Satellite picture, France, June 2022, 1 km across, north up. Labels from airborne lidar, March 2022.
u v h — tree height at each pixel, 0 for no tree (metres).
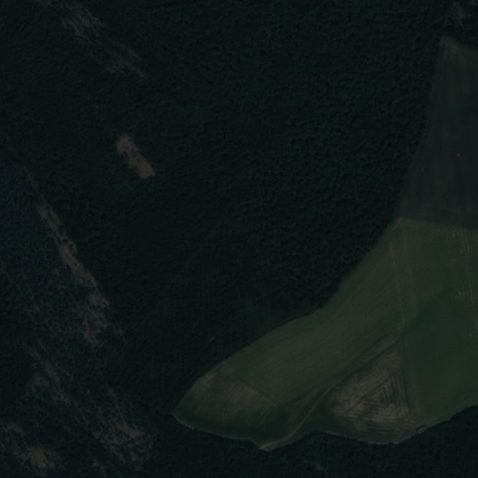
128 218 0
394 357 0
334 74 18
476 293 0
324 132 18
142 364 0
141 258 0
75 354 0
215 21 17
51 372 0
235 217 21
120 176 0
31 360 20
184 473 19
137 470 0
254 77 19
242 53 20
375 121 22
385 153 20
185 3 20
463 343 0
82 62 0
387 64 20
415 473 14
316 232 22
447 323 0
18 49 0
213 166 24
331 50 19
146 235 0
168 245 12
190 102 20
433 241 0
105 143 0
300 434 0
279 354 0
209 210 12
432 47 19
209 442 25
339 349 0
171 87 23
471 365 0
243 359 0
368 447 17
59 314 31
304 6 22
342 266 18
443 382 0
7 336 25
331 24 20
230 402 0
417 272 0
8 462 22
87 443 22
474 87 0
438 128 0
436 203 0
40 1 0
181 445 18
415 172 0
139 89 0
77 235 0
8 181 26
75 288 28
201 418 0
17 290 32
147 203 0
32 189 0
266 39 16
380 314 0
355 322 0
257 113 19
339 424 0
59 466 0
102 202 0
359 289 0
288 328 0
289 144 18
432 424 0
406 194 0
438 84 0
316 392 0
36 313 0
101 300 0
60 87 0
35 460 0
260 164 22
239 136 18
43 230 26
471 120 0
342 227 19
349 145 16
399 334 0
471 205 0
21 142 0
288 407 0
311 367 0
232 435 0
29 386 0
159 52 19
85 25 0
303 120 16
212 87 18
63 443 22
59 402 0
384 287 0
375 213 20
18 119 0
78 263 0
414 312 0
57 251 30
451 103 0
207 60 19
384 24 17
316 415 0
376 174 21
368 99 20
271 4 19
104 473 0
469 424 18
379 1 19
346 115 20
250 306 0
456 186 0
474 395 0
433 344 0
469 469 19
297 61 21
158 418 22
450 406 0
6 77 11
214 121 24
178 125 17
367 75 21
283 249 6
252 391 0
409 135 19
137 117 0
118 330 0
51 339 31
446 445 16
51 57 0
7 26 0
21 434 0
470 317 0
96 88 0
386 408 0
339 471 18
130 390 0
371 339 0
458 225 0
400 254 0
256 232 21
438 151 0
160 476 20
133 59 0
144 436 0
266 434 0
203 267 7
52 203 20
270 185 21
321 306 10
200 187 10
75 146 0
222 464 22
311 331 0
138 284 0
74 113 0
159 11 18
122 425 0
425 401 0
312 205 22
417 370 0
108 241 19
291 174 20
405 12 16
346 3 21
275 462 19
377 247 0
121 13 0
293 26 20
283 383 0
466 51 0
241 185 20
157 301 15
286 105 18
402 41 17
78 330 0
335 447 18
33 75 0
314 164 19
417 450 16
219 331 0
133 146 0
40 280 29
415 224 0
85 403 21
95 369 34
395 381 0
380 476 12
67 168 19
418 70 19
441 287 0
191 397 0
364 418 0
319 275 22
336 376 0
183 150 25
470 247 0
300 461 19
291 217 18
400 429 0
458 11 0
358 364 0
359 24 20
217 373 0
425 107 18
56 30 0
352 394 0
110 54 0
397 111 19
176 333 7
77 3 0
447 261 0
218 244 7
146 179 0
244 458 23
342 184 23
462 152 0
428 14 19
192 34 20
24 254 27
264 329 0
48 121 0
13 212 26
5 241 30
